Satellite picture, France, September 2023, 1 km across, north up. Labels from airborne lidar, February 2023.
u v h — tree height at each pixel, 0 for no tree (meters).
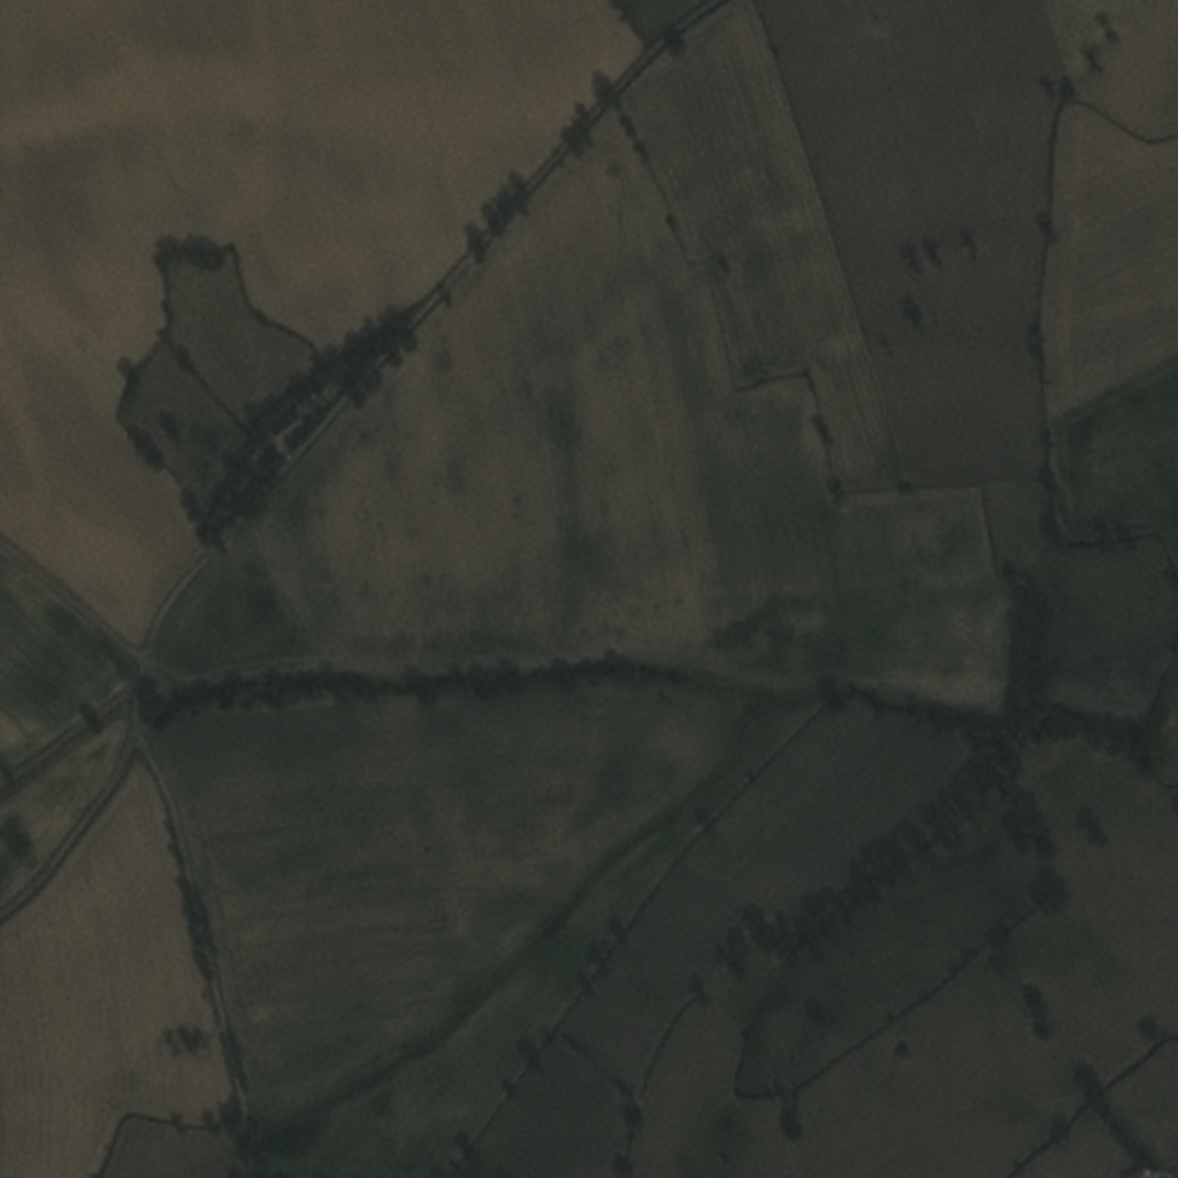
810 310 0
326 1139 0
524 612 0
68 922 0
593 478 0
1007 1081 0
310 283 0
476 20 0
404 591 0
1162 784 0
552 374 0
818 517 0
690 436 0
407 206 0
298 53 0
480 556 0
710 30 0
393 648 0
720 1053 0
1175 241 0
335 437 0
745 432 0
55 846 0
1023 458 0
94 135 0
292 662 0
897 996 0
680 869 0
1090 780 0
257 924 0
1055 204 0
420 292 0
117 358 0
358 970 0
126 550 0
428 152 0
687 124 0
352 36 0
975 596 0
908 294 0
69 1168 0
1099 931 0
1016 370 0
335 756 0
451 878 0
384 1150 0
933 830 26
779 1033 0
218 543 12
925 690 0
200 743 0
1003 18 0
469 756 0
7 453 0
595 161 0
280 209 0
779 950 19
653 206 0
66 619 0
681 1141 0
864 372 0
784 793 0
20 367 0
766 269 0
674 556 0
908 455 0
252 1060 0
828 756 0
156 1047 0
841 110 0
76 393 0
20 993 0
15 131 0
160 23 0
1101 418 0
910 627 0
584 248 0
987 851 0
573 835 0
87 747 0
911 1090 0
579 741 0
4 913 0
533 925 0
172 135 0
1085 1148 0
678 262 0
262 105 0
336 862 0
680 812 0
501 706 0
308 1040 0
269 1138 0
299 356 0
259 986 0
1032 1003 15
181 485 0
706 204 0
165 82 0
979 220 0
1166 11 0
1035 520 0
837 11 0
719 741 0
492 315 0
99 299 0
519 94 0
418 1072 0
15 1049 0
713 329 0
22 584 0
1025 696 22
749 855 0
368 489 0
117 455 0
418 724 0
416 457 0
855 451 0
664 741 0
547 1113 0
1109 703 0
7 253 0
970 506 0
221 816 0
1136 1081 0
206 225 0
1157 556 0
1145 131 0
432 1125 0
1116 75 0
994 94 0
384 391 0
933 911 0
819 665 0
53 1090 0
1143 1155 7
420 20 0
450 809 0
